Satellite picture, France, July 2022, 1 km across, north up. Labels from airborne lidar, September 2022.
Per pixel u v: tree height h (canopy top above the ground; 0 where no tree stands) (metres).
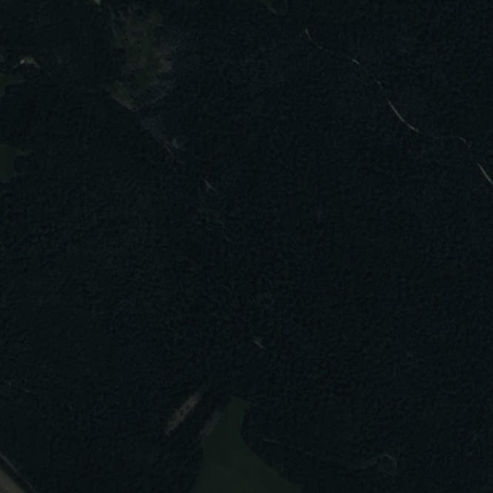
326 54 25
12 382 15
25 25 16
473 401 22
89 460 11
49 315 13
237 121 19
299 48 23
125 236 16
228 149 20
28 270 17
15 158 0
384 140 28
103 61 12
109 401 15
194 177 14
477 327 22
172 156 18
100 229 14
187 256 17
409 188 31
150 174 20
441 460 20
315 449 14
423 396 8
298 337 35
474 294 10
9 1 9
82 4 13
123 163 19
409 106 16
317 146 31
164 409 20
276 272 25
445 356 18
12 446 13
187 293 25
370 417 21
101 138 16
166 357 11
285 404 16
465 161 24
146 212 17
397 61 10
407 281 17
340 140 22
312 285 23
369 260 15
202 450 8
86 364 14
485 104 20
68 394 17
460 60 22
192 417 13
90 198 13
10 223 23
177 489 14
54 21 12
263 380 25
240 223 24
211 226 7
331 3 21
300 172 12
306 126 25
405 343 19
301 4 19
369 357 16
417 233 18
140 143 18
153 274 16
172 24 22
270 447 21
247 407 0
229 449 0
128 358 26
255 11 17
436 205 26
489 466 17
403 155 22
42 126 19
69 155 17
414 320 18
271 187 16
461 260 27
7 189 14
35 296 10
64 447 12
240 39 19
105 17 15
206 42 22
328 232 17
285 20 22
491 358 22
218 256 17
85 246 13
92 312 20
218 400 22
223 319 7
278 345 21
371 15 19
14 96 22
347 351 17
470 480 24
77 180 14
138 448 20
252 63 24
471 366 18
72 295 12
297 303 18
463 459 17
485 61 24
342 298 14
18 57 14
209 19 22
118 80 14
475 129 20
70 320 14
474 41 22
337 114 19
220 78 20
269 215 9
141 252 16
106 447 17
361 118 13
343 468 8
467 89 21
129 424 23
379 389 17
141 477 18
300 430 12
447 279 19
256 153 23
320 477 6
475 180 24
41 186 18
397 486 13
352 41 26
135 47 0
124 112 9
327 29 21
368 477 11
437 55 26
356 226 17
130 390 17
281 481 0
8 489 0
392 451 14
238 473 0
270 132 28
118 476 15
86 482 10
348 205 15
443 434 12
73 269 18
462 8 20
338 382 7
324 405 16
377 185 24
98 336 15
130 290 13
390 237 16
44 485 13
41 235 28
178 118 22
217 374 23
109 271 18
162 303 12
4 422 13
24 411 16
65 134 15
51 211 21
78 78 12
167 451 23
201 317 8
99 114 18
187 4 24
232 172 29
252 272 11
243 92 25
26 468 16
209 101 8
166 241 22
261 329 24
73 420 11
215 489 0
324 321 17
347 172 22
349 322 15
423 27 13
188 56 19
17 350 13
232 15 24
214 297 15
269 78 30
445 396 20
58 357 11
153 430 23
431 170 12
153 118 22
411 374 23
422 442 11
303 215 26
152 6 23
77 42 11
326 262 18
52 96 17
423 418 14
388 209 16
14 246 13
